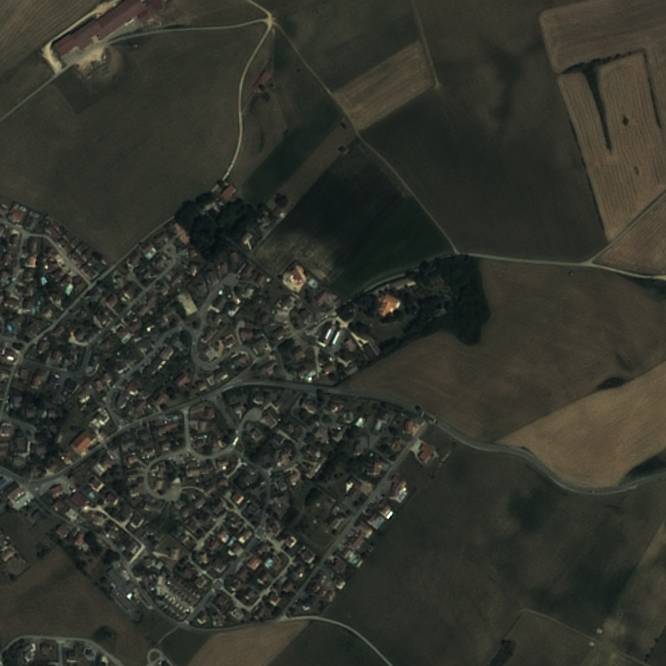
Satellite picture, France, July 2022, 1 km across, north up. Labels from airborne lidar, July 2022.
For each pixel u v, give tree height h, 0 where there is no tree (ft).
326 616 0
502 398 0
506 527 0
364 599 0
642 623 0
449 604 0
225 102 0
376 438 0
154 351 0
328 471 51
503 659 22
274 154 0
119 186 0
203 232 65
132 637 0
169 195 0
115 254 0
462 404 0
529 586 0
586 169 0
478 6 0
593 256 0
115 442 23
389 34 0
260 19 0
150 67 0
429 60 0
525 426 0
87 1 0
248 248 0
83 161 0
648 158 0
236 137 0
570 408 0
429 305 62
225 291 18
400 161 0
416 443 0
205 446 24
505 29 0
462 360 0
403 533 0
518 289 0
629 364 0
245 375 0
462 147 0
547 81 0
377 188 0
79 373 0
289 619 0
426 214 0
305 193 0
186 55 0
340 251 0
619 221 0
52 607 0
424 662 0
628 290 0
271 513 42
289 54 0
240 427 0
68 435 0
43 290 22
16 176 0
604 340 0
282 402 0
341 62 0
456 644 0
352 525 0
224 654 0
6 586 0
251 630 0
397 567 0
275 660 0
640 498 0
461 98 0
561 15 0
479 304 51
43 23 0
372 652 0
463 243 0
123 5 0
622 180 0
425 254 0
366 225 0
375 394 0
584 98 0
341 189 0
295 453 24
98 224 0
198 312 0
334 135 0
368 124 0
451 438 0
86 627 0
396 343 52
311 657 0
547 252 0
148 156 0
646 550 0
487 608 0
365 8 0
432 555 0
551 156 0
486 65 0
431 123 0
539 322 0
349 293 0
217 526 0
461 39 0
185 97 0
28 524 0
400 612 0
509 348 0
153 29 0
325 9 0
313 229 0
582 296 0
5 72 0
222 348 0
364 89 0
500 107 0
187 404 0
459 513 0
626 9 0
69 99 0
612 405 0
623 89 0
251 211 58
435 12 0
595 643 0
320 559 27
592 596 0
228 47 0
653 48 0
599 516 0
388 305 0
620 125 0
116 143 0
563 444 0
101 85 0
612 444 0
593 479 0
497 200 0
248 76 0
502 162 0
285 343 31
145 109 0
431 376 0
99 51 0
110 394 0
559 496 0
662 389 0
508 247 0
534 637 0
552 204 0
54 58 0
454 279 36
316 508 0
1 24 0
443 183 0
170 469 19
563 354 0
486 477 0
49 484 0
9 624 0
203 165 0
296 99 0
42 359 20
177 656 0
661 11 0
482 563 0
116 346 0
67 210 0
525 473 0
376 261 0
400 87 0
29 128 0
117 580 0
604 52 0
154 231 0
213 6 0
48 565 0
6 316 18
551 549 0
